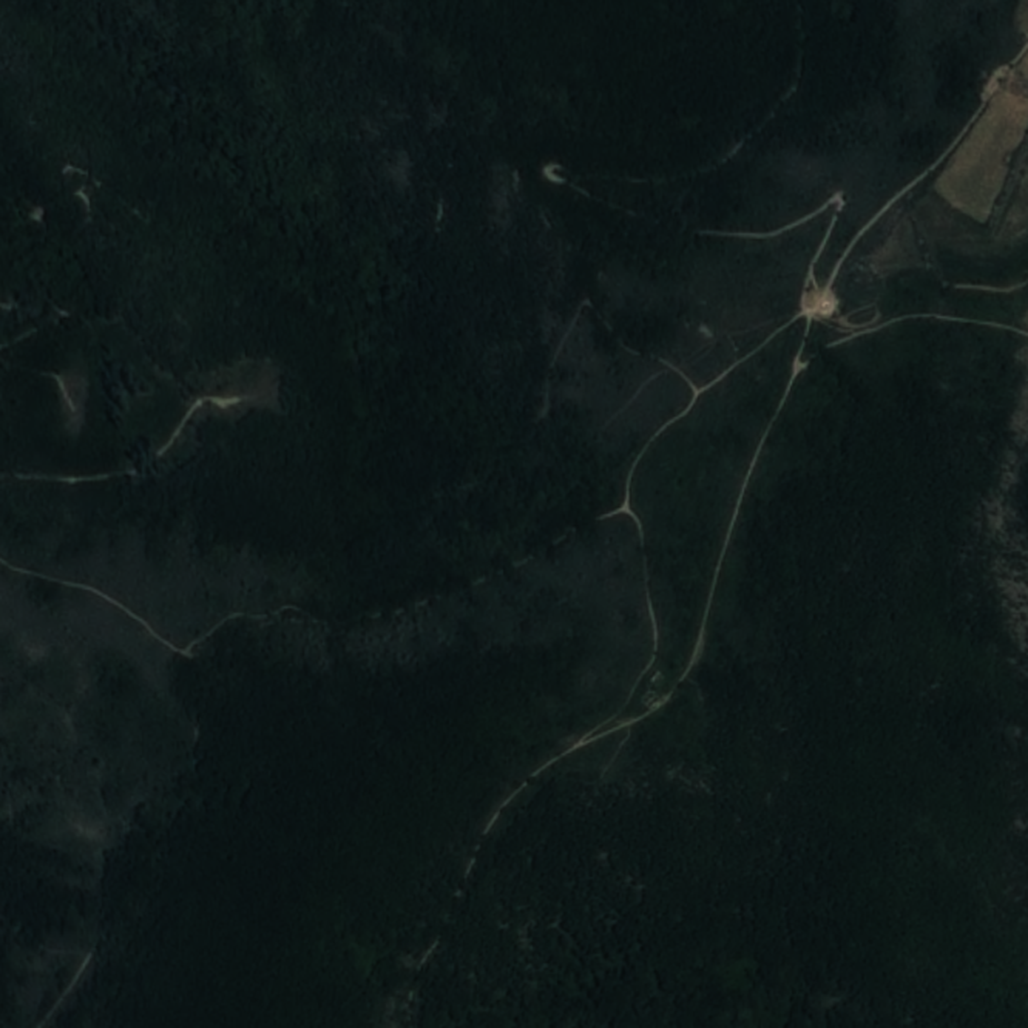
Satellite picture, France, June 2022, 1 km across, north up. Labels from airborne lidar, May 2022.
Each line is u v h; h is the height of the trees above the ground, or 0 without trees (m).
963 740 21
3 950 10
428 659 7
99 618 0
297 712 14
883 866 17
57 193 9
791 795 14
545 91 9
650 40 14
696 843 12
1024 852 10
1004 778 9
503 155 6
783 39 12
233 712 12
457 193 6
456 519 9
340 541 11
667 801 13
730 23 13
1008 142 0
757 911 18
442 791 21
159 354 8
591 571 0
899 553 15
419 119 9
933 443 14
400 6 9
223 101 13
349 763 18
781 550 18
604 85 13
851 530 14
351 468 10
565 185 6
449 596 9
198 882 16
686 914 17
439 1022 17
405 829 19
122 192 14
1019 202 0
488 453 8
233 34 12
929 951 14
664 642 0
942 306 0
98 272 10
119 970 11
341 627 8
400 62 8
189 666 7
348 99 9
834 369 11
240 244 15
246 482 10
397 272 8
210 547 8
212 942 17
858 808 17
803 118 9
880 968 19
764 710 14
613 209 9
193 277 9
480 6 19
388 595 9
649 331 9
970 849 13
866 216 0
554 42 15
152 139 18
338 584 7
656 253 6
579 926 20
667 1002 21
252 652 8
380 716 12
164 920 15
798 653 16
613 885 16
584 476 8
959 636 14
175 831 10
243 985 21
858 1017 15
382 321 12
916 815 16
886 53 12
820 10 9
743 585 8
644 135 9
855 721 17
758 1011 10
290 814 21
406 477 8
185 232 10
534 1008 20
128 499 10
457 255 12
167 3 14
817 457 7
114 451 9
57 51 13
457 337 11
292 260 14
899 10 6
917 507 18
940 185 0
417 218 12
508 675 14
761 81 8
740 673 14
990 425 8
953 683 16
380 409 14
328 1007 21
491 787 11
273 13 6
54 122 9
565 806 8
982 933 18
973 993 19
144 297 5
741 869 15
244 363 0
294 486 9
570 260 7
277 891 22
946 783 16
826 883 20
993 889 10
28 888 15
